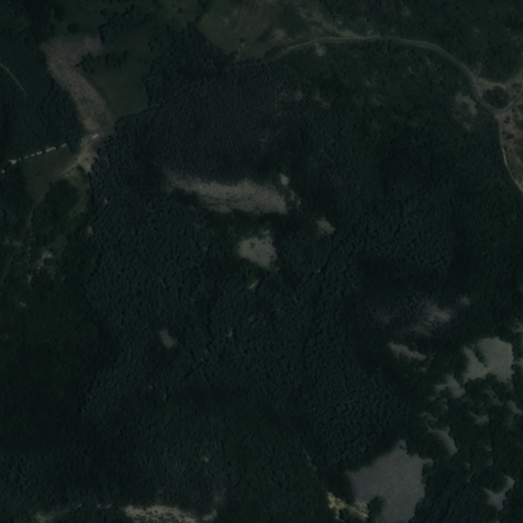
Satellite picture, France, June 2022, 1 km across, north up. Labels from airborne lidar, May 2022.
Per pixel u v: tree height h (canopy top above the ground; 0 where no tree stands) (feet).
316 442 74
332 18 20
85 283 34
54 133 41
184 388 123
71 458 74
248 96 64
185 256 103
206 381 85
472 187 21
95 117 0
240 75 57
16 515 52
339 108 33
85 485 74
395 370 44
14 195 52
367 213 77
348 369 94
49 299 47
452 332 27
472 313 43
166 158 26
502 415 44
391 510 0
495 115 0
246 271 102
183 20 0
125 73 0
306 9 0
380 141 28
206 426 61
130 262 99
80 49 0
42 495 59
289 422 60
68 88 0
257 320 98
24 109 44
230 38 0
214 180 29
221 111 67
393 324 25
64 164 0
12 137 43
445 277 90
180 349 31
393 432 66
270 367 102
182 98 58
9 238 24
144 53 0
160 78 39
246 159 53
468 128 0
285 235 57
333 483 71
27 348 64
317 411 90
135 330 92
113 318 105
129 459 64
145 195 47
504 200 29
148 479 31
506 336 42
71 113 82
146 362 107
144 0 0
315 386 90
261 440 90
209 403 89
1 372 39
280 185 19
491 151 23
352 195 78
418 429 50
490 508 44
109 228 64
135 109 0
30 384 65
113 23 43
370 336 44
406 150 55
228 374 109
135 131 35
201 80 25
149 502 48
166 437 47
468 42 0
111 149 65
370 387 98
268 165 46
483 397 43
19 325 55
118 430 68
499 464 61
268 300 104
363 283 68
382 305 38
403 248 90
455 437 52
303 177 57
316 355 109
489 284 26
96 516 47
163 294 95
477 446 46
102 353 60
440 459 49
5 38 43
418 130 30
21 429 57
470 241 40
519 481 59
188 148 49
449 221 47
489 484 54
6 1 40
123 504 38
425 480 21
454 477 73
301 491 57
